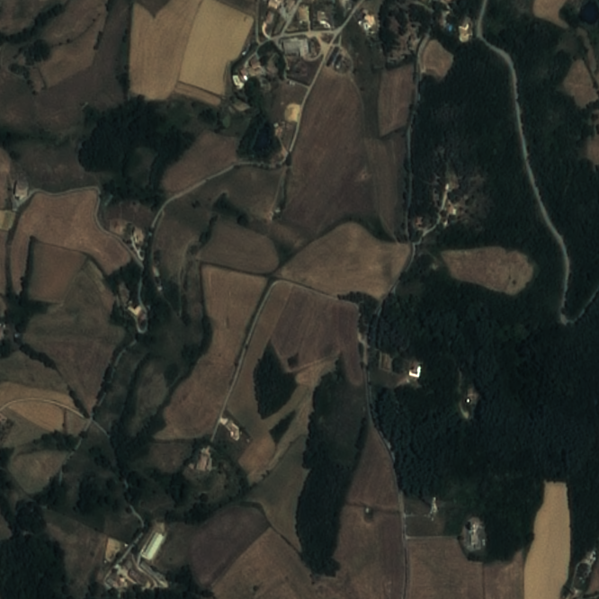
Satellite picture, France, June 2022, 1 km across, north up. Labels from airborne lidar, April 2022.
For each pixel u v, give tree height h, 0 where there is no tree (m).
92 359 0
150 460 0
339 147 0
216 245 0
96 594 11
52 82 0
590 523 6
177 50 0
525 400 10
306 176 0
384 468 0
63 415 0
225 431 0
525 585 0
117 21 0
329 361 0
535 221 7
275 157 0
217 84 0
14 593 10
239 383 0
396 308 13
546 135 13
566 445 24
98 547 0
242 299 0
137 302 6
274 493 0
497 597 0
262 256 0
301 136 0
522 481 13
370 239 0
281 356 0
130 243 6
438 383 13
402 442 25
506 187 11
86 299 0
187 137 6
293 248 0
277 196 0
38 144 0
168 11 0
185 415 0
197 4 0
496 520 11
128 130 7
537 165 16
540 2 0
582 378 12
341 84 0
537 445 33
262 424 0
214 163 0
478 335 32
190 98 0
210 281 0
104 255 0
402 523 0
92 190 0
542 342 27
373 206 0
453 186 0
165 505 0
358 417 0
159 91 0
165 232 0
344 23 0
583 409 8
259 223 0
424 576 0
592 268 21
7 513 10
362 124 0
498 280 0
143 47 0
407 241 8
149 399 0
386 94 0
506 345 16
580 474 13
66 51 0
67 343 0
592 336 12
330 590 0
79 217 0
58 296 0
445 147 9
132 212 0
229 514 0
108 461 17
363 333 6
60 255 0
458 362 9
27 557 15
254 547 0
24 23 0
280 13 0
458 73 10
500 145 10
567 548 0
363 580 0
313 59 0
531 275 0
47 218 0
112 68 0
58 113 0
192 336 0
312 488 10
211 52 0
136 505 7
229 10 0
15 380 0
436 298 12
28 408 0
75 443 8
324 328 0
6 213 0
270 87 0
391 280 0
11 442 0
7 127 0
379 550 0
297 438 0
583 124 12
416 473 25
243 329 0
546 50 6
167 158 9
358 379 0
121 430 14
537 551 0
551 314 7
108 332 0
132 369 0
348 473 9
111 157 11
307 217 0
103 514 0
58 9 16
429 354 16
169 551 0
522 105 14
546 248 11
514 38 14
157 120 8
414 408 14
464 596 0
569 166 17
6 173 0
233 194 0
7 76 0
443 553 0
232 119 0
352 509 0
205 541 0
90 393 0
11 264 0
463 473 7
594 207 13
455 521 0
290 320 0
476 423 17
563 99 12
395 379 0
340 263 0
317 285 0
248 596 0
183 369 0
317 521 9
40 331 0
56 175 0
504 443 27
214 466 11
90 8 0
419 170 13
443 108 12
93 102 0
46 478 0
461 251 0
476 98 11
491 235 11
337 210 0
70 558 0
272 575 0
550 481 7
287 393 8
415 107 13
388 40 15
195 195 0
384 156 0
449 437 32
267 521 0
